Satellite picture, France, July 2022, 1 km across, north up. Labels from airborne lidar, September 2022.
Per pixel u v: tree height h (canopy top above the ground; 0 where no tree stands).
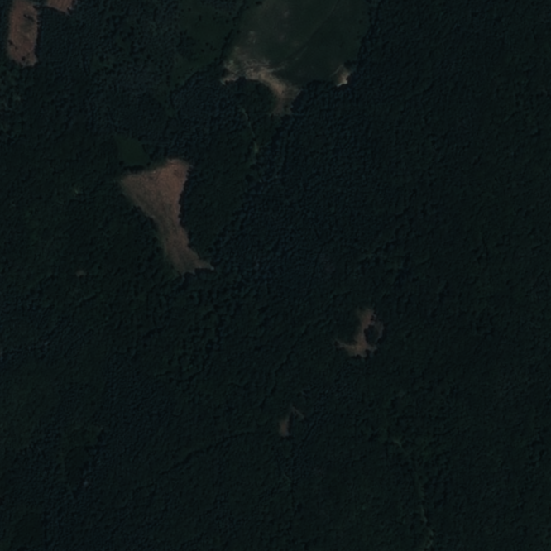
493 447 13
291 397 20
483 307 21
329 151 29
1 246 18
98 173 18
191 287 27
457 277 22
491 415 14
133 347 22
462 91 21
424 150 20
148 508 21
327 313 16
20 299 18
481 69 18
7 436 14
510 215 23
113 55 15
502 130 19
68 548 21
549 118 14
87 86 20
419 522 24
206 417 25
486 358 18
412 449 21
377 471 21
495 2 22
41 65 16
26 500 24
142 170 26
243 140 19
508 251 20
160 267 20
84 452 8
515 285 21
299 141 22
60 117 28
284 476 30
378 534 15
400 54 27
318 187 25
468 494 15
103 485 22
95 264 18
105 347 16
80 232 19
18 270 12
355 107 19
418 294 25
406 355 15
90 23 24
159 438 19
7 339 14
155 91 17
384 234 25
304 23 0
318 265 19
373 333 23
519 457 16
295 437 19
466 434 16
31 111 30
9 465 21
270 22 0
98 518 20
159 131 20
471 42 23
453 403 15
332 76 0
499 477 10
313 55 0
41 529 11
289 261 23
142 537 21
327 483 17
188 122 24
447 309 20
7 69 24
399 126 20
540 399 18
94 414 16
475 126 16
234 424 22
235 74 0
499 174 17
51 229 15
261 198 22
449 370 22
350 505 19
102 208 18
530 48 21
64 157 24
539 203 14
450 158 20
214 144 20
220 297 22
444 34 24
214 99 29
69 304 11
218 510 20
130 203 25
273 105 10
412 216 25
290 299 24
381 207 20
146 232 15
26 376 15
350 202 23
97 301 16
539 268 20
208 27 0
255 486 16
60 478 24
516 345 19
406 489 20
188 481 17
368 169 24
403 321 16
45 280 18
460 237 19
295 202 25
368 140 23
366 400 19
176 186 0
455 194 16
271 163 20
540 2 18
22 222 20
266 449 22
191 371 23
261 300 28
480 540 14
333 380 21
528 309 20
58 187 15
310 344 20
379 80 25
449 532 14
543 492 12
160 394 25
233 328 23
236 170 17
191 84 20
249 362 20
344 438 24
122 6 14
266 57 0
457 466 15
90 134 26
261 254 22
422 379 22
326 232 17
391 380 21
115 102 15
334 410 22
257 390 20
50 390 14
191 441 23
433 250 19
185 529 17
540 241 17
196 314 22
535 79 27
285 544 14
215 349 28
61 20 25
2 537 23
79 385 23
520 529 17
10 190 20
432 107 23
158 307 8
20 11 0
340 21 0
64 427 22
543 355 11
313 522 21
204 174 21
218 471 17
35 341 18
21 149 26
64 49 25
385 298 20
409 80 19
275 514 16
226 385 19
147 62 11
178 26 11
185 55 9
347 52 0
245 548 24
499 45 19
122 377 19
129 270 8
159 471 20
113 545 26
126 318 17
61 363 20
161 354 17
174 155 24
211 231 15
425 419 22
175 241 0
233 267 26
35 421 14
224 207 18
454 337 15
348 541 12
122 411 24
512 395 13
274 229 23
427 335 17
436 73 23
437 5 22
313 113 21
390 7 20
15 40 0
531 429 17
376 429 21
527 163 18
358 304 15
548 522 14
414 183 23
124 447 20
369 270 24
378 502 14
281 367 7
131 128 18
